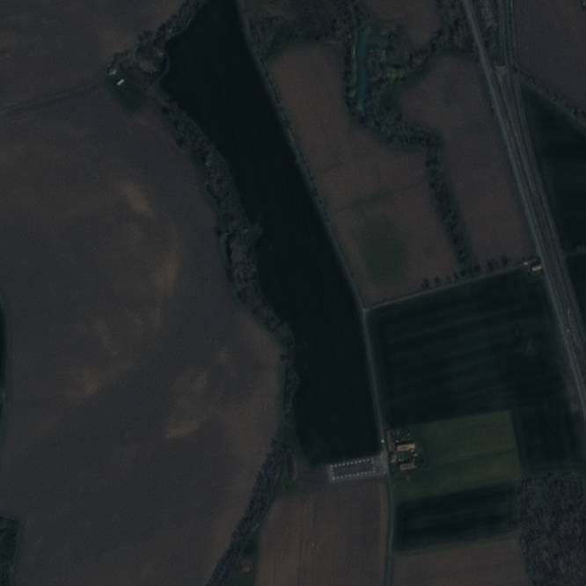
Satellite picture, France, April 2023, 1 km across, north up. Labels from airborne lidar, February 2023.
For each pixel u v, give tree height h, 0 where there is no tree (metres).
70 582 0
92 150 0
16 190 0
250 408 0
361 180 0
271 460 16
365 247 0
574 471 0
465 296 0
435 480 0
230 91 0
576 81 0
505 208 0
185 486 0
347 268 0
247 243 6
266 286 0
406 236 0
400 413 0
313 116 0
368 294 0
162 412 0
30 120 0
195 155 0
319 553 0
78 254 0
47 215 0
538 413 0
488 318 0
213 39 0
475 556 0
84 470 0
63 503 0
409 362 0
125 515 0
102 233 0
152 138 0
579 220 0
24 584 0
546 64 0
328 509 0
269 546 0
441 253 0
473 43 8
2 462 0
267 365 0
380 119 14
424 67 0
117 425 0
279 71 0
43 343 0
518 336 0
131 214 0
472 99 0
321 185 0
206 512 0
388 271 0
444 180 9
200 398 0
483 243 0
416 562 0
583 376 0
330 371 0
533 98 0
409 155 0
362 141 0
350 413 0
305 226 0
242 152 0
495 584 0
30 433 0
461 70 0
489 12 6
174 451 0
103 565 0
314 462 0
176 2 0
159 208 0
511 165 0
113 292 0
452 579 0
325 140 0
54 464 0
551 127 0
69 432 0
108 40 0
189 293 0
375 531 0
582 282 0
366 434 0
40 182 0
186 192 0
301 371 0
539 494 13
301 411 0
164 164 0
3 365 0
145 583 0
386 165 0
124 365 0
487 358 0
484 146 0
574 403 0
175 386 0
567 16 0
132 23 0
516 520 0
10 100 0
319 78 0
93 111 0
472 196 0
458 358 0
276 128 0
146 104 0
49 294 0
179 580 0
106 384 0
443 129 0
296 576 0
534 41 0
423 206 0
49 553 0
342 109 0
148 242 0
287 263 0
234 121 0
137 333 0
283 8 0
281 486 0
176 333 0
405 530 0
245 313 0
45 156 0
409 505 0
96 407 0
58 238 0
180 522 0
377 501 0
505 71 0
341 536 0
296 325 0
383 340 0
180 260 0
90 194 0
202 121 0
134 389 0
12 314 0
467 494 0
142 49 10
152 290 0
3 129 0
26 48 0
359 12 19
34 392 0
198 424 0
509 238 0
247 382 0
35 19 0
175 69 0
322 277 0
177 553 0
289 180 0
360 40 0
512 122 0
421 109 0
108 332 0
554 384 0
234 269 18
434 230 0
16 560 0
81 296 0
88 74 0
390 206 0
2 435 0
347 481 0
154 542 0
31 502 0
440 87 0
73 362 0
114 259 0
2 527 9
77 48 0
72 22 0
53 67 0
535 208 0
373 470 0
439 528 0
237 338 0
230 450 0
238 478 0
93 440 0
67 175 0
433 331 0
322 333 0
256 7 0
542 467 0
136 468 0
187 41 0
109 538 0
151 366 0
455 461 0
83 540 0
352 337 0
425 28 0
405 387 0
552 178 0
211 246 0
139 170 0
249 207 0
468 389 0
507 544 0
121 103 0
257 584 0
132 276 0
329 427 0
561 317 0
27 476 0
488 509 0
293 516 0
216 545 0
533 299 0
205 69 0
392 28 0
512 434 0
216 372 0
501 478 0
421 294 0
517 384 0
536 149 0
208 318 0
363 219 0
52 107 0
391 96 0
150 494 0
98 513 0
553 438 0
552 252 0
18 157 0
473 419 0
